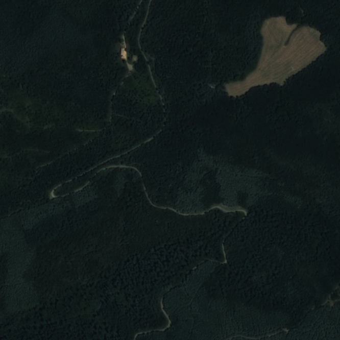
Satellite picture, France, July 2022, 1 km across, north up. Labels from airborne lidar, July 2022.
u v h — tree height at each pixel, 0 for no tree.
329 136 7
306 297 13
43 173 11
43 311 30
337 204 6
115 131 13
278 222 20
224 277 23
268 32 0
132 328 9
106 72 9
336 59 22
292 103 15
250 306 21
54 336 19
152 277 18
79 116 8
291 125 19
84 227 14
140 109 18
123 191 16
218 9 15
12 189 7
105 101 17
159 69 16
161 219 15
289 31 0
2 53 10
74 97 16
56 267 13
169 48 12
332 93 18
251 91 20
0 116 10
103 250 8
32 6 15
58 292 12
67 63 10
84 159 10
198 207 23
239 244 12
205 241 23
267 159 12
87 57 10
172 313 11
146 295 8
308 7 17
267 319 15
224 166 18
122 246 21
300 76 18
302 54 0
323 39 20
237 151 14
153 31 8
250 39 19
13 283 8
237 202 15
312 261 14
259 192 17
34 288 11
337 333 16
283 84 6
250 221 11
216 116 17
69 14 12
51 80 12
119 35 16
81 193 15
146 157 14
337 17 18
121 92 12
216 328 9
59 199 16
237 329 11
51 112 7
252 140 12
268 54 0
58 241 19
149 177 15
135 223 10
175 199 20
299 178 13
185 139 17
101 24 13
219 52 11
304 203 13
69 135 11
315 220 22
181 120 13
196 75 14
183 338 13
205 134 15
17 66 9
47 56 10
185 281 10
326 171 8
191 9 10
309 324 11
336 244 15
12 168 7
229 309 14
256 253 10
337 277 17
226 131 11
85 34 14
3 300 14
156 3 9
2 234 16
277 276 26
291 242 21
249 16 20
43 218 19
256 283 12
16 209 8
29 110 11
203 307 12
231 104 22
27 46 14
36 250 13
